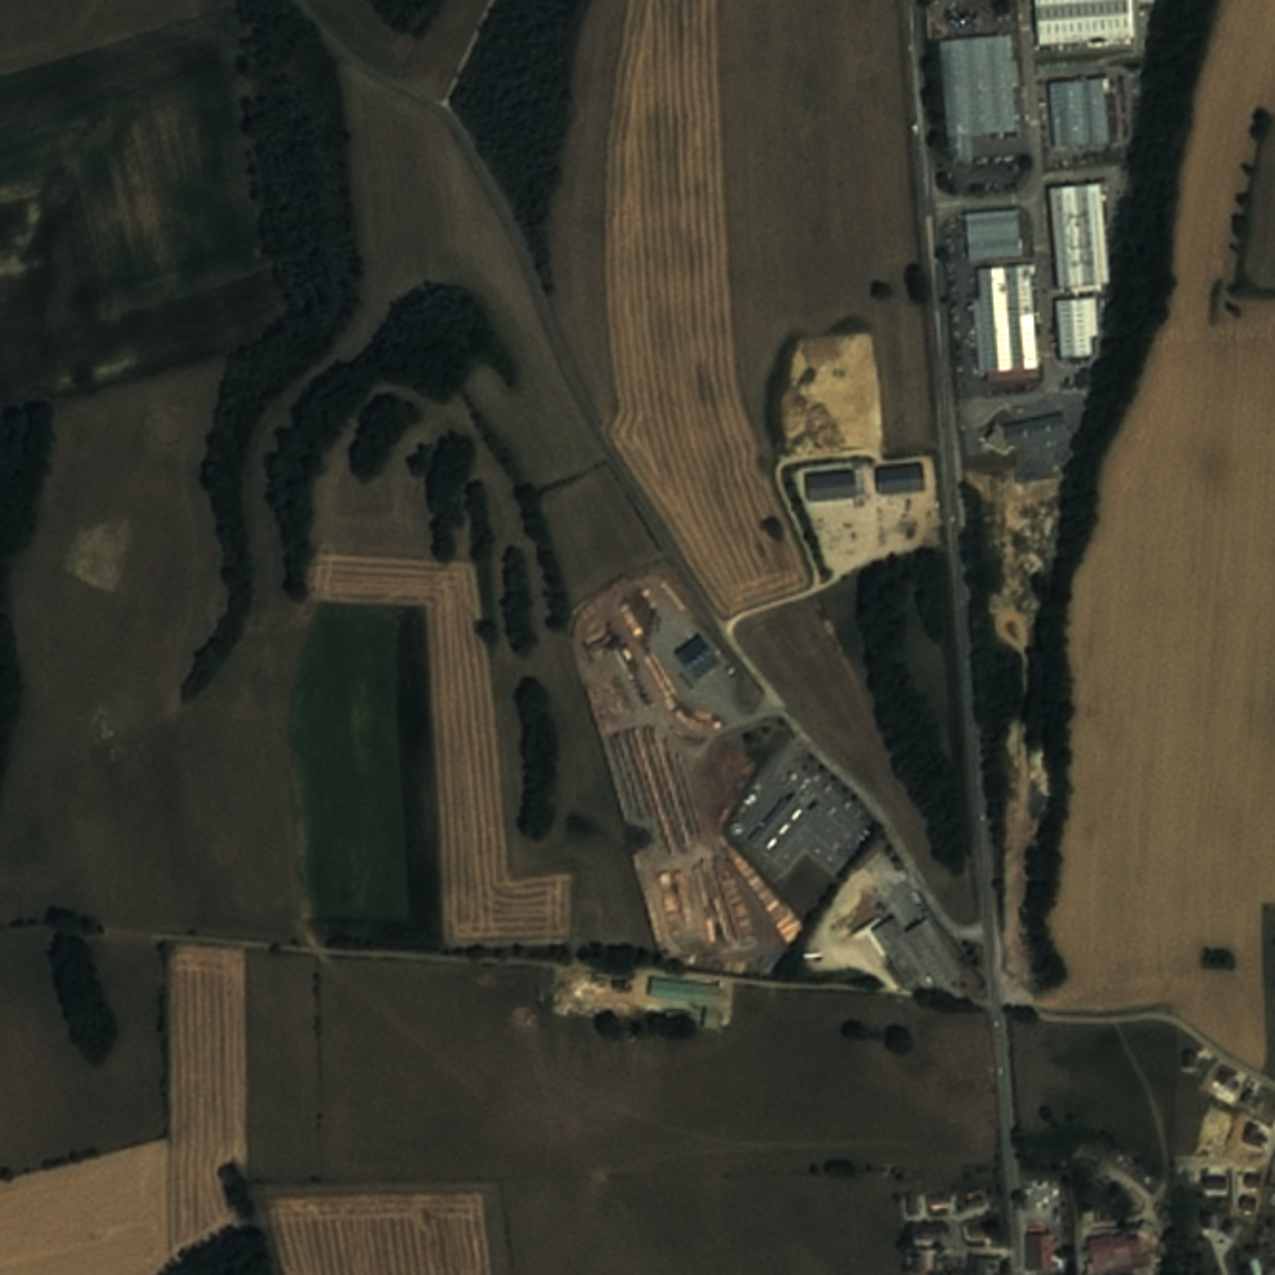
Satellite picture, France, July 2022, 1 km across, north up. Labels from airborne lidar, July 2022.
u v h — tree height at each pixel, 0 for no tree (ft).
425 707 0
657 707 0
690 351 0
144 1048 0
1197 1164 0
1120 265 49
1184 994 0
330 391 58
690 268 0
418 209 0
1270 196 0
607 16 0
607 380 0
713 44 0
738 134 0
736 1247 0
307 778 0
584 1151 0
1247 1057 0
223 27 0
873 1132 0
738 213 0
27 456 71
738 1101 0
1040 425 0
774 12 0
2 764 43
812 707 0
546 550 29
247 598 39
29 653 0
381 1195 0
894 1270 0
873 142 0
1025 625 0
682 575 0
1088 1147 0
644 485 0
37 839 0
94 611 0
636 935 0
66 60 0
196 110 0
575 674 0
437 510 40
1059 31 0
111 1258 0
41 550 0
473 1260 0
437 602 0
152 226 0
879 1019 0
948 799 43
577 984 0
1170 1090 0
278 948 25
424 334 61
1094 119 0
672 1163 0
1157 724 0
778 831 0
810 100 0
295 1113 0
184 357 0
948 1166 0
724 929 0
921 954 0
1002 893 25
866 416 0
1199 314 0
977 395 0
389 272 0
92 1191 0
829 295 0
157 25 0
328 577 0
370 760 0
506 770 0
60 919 69
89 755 0
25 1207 0
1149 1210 0
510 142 28
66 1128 0
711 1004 0
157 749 0
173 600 0
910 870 0
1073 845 0
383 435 44
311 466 51
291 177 51
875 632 50
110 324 0
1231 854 0
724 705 0
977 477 0
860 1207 0
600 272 0
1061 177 0
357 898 0
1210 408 0
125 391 0
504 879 0
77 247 0
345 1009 0
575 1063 0
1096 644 0
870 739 0
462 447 62
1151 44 32
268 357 31
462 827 0
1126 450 0
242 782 0
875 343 0
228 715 0
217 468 54
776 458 0
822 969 0
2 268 0
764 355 0
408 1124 0
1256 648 0
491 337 58
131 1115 0
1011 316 0
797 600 0
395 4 66
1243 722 0
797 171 0
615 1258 0
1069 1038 0
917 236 0
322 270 59
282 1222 0
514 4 31
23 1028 0
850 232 0
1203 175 0
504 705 0
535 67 43
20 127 0
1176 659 0
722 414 0
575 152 0
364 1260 0
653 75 0
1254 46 0
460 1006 0
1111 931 0
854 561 0
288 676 0
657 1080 0
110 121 0
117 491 0
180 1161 0
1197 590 0
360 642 0
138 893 0
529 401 0
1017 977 0
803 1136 0
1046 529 0
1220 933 0
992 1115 0
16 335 0
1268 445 0
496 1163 0
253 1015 0
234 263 0
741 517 0
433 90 0
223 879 0
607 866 0
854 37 0
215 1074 0
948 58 0
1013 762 0
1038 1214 0
